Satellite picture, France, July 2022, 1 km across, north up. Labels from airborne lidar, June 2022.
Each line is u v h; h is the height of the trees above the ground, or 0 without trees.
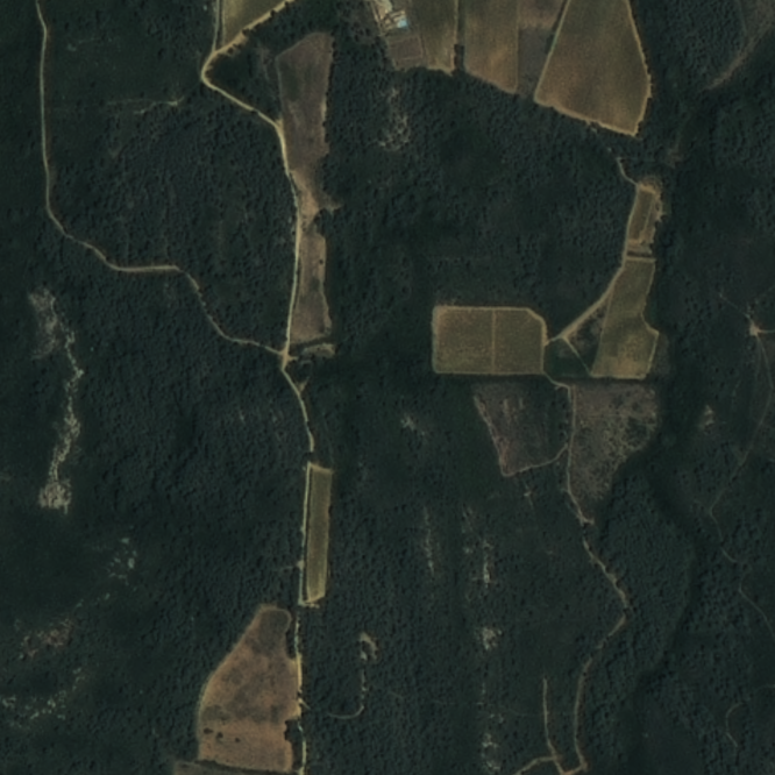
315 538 0
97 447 10
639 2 7
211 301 14
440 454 6
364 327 6
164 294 7
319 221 11
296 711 0
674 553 14
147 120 9
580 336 0
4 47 7
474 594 8
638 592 14
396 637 11
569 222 11
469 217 8
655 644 19
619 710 13
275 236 11
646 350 0
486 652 11
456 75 6
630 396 0
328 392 10
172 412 10
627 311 0
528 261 12
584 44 0
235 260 8
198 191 11
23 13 16
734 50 11
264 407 9
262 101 12
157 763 13
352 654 7
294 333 0
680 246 17
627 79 0
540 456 0
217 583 13
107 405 14
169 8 6
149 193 10
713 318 10
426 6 0
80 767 15
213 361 12
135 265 12
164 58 15
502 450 0
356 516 13
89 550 0
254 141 9
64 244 14
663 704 11
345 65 11
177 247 12
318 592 0
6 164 6
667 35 9
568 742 6
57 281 15
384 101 11
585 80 0
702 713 15
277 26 8
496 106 9
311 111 0
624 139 15
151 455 15
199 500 11
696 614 14
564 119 11
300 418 12
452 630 9
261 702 0
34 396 13
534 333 0
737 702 8
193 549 11
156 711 9
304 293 0
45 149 0
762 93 11
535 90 0
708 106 13
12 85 6
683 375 7
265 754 0
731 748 12
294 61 0
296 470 7
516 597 10
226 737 0
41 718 0
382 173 9
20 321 12
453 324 0
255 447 12
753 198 12
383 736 11
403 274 7
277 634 0
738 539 13
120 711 10
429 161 10
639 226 0
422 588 9
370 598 10
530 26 0
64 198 15
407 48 0
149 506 13
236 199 0
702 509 7
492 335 0
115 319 15
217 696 0
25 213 14
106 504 11
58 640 6
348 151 9
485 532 8
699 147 10
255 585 15
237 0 0
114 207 8
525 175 11
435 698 10
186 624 11
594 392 0
